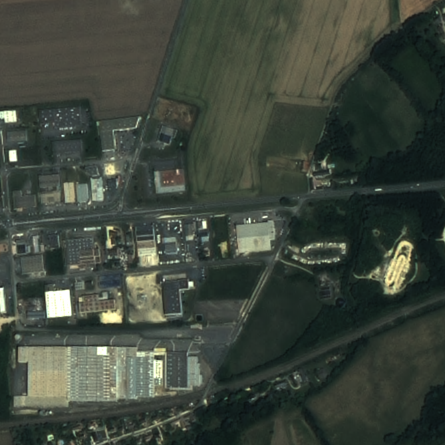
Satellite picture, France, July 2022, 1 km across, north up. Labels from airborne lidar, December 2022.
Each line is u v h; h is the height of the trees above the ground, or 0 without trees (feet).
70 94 0
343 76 0
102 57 0
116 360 0
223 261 0
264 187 0
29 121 0
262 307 0
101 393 0
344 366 40
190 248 0
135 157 0
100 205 0
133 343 0
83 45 0
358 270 27
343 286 33
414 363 0
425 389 0
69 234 0
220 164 0
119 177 0
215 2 0
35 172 0
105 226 0
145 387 0
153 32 0
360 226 21
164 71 0
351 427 0
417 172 51
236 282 0
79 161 0
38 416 0
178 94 0
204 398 0
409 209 41
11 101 0
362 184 54
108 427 29
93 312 0
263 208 0
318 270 52
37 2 0
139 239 0
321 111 0
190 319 0
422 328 0
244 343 0
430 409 63
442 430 84
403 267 0
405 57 0
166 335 0
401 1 0
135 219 0
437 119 66
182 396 0
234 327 0
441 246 0
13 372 0
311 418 57
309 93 0
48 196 0
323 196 0
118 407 0
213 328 0
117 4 0
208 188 0
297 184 0
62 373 0
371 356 0
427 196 80
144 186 0
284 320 0
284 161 0
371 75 0
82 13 0
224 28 0
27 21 0
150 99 0
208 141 0
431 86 0
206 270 0
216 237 0
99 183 0
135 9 0
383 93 0
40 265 0
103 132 0
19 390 0
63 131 0
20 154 0
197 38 0
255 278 0
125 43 0
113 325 25
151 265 0
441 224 42
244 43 0
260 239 0
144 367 0
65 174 0
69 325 0
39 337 0
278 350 0
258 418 84
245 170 0
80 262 0
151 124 0
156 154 0
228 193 0
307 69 0
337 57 0
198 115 0
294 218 41
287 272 0
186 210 0
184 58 0
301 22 0
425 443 58
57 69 0
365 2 0
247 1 0
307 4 0
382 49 83
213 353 0
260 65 0
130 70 0
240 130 0
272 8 0
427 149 52
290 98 0
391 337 0
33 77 0
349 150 42
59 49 0
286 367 0
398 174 62
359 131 0
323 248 0
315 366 0
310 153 0
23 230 0
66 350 0
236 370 0
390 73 55
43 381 0
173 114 0
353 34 0
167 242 0
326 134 24
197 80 0
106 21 0
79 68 0
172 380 0
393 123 0
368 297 32
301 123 0
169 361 0
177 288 0
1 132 0
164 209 0
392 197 80
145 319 0
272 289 0
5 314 0
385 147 0
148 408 0
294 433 0
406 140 0
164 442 24
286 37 0
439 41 0
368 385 0
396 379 0
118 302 0
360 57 0
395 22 0
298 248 0
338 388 0
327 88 0
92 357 0
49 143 0
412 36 69
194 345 0
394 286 0
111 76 0
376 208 75
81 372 0
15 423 0
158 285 0
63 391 0
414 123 0
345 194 0
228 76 0
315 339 18
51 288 0
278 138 0
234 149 0
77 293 0
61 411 0
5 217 0
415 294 39
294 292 0
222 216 0
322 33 0
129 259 0
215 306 0
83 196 0
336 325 19
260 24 0
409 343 0
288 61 0
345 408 0
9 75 0
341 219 21
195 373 0
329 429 0
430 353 0
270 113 0
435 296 0
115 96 0
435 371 0
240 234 0
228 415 86
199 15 0
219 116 0
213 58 0
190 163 0
